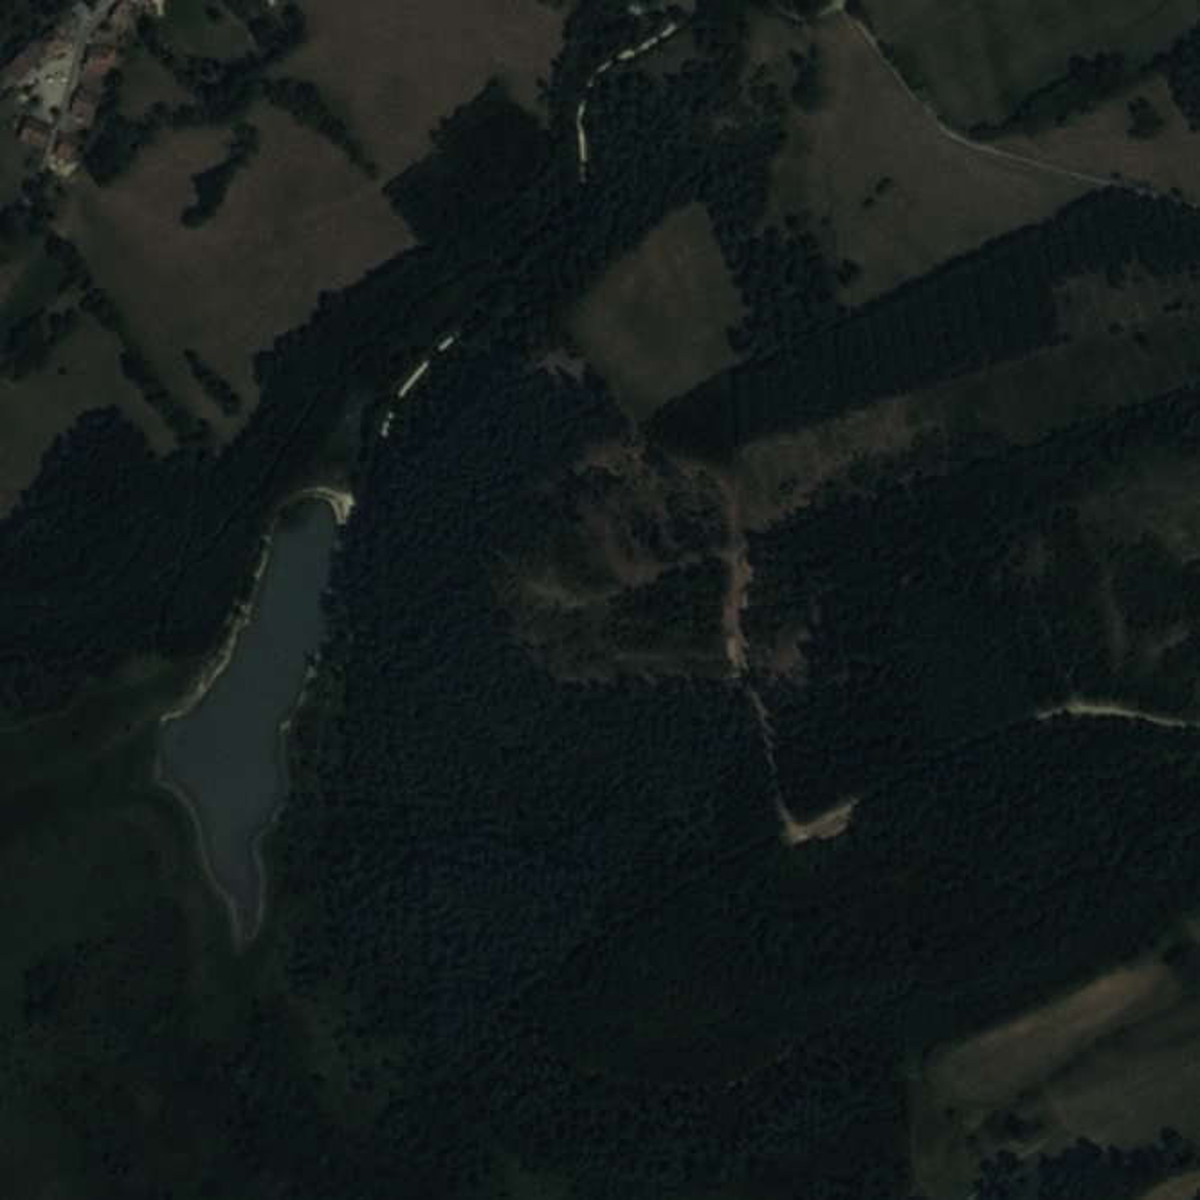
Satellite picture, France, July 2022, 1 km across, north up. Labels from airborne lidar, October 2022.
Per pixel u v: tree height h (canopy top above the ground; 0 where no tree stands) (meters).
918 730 23
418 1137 21
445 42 0
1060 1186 26
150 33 18
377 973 12
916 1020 16
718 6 15
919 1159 0
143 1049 7
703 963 8
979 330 17
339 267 0
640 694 21
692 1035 8
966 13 0
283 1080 7
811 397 13
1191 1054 0
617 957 11
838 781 24
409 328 24
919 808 20
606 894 24
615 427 34
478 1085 19
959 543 11
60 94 0
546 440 37
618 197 21
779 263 18
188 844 0
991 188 0
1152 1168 26
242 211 0
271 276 0
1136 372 0
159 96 0
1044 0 0
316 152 0
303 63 0
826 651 27
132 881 0
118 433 26
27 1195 0
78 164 0
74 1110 6
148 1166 0
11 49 7
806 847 14
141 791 0
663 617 12
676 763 31
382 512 29
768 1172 11
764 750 34
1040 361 0
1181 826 14
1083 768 19
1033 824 26
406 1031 8
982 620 17
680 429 8
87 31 0
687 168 15
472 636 27
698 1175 26
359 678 17
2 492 0
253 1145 17
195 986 0
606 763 23
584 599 0
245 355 0
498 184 9
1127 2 0
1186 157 0
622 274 0
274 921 0
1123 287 13
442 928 17
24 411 0
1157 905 16
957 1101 0
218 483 20
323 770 10
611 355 0
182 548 20
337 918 20
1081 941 18
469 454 36
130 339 8
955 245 0
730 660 0
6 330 0
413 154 0
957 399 0
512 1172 0
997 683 21
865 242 0
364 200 0
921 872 11
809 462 0
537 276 9
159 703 0
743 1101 9
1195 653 7
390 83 0
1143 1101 0
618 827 23
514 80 0
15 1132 0
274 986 0
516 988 23
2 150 0
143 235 0
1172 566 8
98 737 0
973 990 12
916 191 0
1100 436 7
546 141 8
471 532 25
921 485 15
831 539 19
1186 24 0
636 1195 12
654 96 7
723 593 8
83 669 17
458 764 22
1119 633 0
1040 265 18
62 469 20
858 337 16
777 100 10
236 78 23
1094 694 17
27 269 0
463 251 18
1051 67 0
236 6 25
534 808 9
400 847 16
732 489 0
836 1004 13
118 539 14
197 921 0
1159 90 0
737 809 20
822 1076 6
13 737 0
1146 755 10
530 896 32
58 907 0
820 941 21
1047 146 0
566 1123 16
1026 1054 0
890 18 0
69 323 21
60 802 0
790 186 0
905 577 34
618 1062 11
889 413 0
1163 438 11
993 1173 20
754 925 12
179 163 0
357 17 0
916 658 22
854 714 20
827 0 14
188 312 0
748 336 14
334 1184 8
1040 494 7
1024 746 22
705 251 0
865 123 0
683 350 0
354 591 20
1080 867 19
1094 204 16
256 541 12
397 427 19
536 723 17
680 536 14
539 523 7
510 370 36
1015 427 0
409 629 15
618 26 8
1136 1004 0
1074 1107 0
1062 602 8
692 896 14
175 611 16
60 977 8
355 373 21
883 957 15
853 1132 14
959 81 0
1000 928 17
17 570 24
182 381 0
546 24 0
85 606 15
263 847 0
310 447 24
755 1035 14
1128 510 0
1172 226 13
